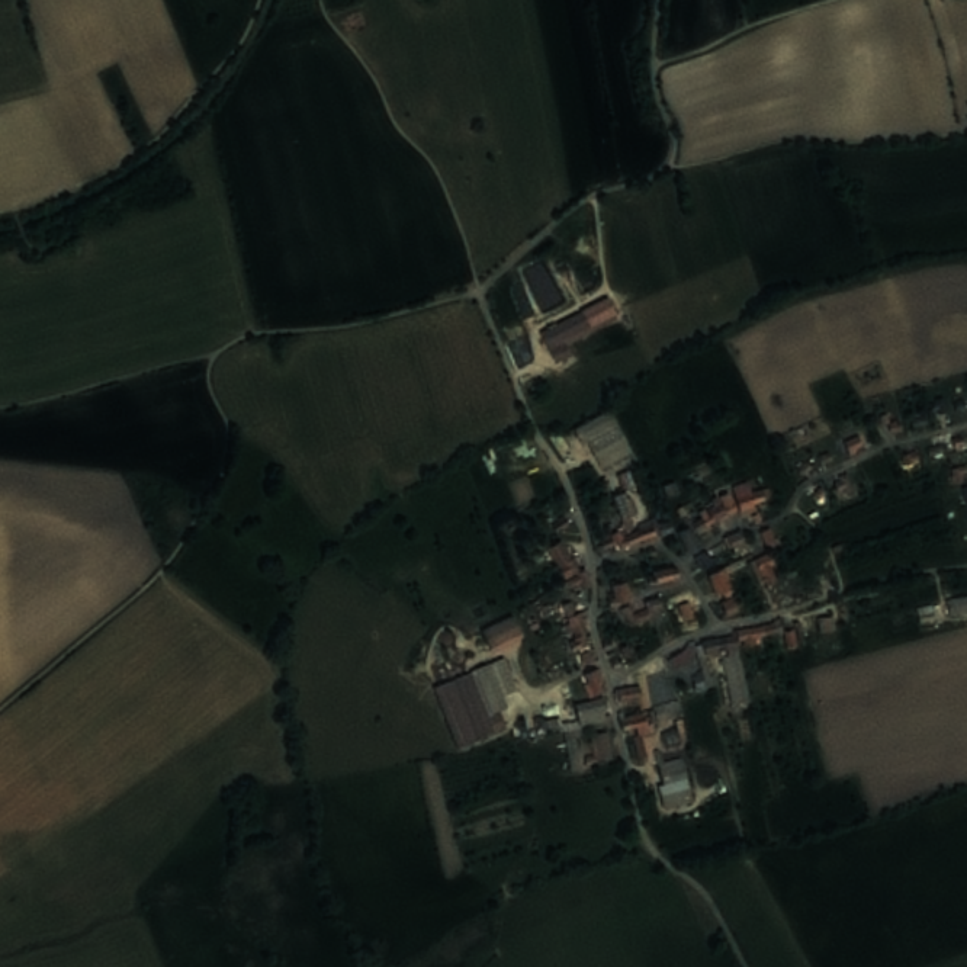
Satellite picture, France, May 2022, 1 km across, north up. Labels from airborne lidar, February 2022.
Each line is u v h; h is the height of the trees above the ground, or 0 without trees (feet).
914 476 0
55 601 0
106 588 0
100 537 0
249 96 0
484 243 0
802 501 0
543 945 0
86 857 0
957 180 0
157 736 0
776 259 0
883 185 0
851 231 0
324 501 0
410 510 0
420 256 0
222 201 0
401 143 0
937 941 0
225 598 0
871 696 0
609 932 0
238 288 0
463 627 0
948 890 0
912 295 0
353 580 0
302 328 0
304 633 0
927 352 0
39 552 0
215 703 0
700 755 0
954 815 0
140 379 0
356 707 0
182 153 0
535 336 0
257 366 0
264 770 0
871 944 0
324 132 0
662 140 0
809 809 0
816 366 0
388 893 0
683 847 0
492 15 0
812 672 0
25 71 0
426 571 0
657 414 0
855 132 0
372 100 0
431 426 0
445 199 0
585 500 25
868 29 0
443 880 0
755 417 0
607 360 0
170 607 0
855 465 0
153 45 0
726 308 0
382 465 0
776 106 0
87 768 0
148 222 0
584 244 0
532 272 0
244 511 0
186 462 0
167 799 0
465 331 0
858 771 0
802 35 0
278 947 0
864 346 0
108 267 0
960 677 0
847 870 0
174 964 0
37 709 0
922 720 0
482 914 0
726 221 0
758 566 0
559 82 0
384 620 0
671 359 52
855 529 0
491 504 0
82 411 0
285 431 0
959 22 0
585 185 0
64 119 0
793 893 0
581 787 0
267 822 0
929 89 0
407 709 0
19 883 0
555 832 0
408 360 0
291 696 49
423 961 0
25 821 0
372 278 0
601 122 0
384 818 0
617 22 0
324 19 0
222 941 0
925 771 0
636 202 0
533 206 0
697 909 0
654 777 0
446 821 0
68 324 0
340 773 0
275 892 0
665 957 0
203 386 0
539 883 24
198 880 0
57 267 0
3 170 0
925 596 0
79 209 43
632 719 0
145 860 0
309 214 0
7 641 0
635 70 22
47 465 0
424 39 0
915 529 22
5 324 0
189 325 0
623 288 0
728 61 0
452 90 0
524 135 0
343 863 0
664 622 0
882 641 0
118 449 0
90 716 0
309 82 0
